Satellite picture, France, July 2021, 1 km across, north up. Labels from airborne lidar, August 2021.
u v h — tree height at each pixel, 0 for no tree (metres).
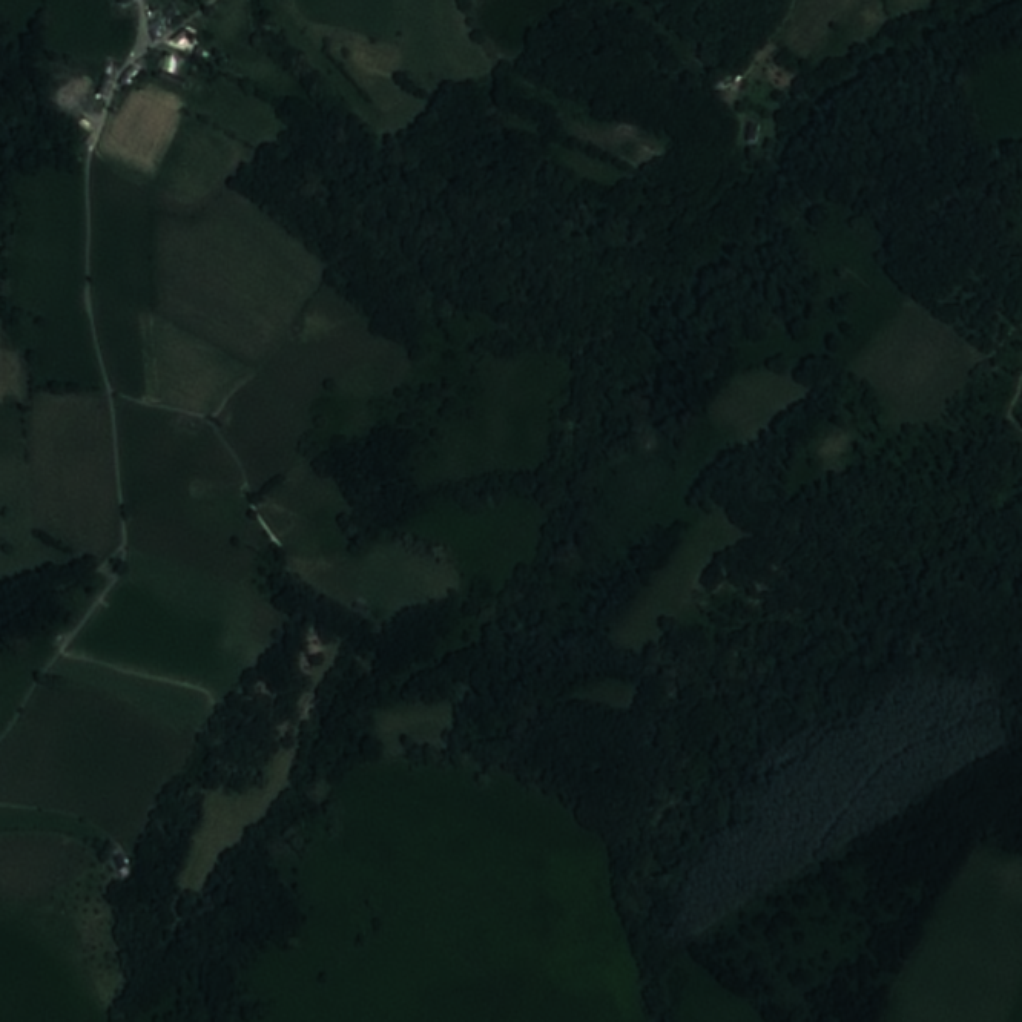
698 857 19
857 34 0
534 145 13
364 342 0
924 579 7
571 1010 0
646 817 20
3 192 10
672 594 0
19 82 19
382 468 25
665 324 29
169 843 24
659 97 33
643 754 24
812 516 22
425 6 0
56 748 0
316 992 0
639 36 32
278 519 0
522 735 16
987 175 28
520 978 0
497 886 0
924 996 0
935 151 23
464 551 0
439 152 30
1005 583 26
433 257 20
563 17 25
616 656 16
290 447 0
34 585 24
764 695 25
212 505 0
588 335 24
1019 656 26
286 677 26
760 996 6
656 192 14
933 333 0
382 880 0
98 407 0
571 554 24
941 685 16
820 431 25
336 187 24
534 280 19
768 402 0
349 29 0
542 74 17
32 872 0
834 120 8
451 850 0
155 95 0
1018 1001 0
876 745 20
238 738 23
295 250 0
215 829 0
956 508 22
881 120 25
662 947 22
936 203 26
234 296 0
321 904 0
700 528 0
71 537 0
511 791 0
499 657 28
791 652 20
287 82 0
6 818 0
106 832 0
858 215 6
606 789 20
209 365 0
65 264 0
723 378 13
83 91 0
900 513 26
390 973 0
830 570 14
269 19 8
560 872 0
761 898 11
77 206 0
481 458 0
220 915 26
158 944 20
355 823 0
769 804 23
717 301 28
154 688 0
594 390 20
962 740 19
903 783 19
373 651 21
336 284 14
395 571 0
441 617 15
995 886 0
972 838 12
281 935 20
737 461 21
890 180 20
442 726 0
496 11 0
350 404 0
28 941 0
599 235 28
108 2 0
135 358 0
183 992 16
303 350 0
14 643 15
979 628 17
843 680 20
